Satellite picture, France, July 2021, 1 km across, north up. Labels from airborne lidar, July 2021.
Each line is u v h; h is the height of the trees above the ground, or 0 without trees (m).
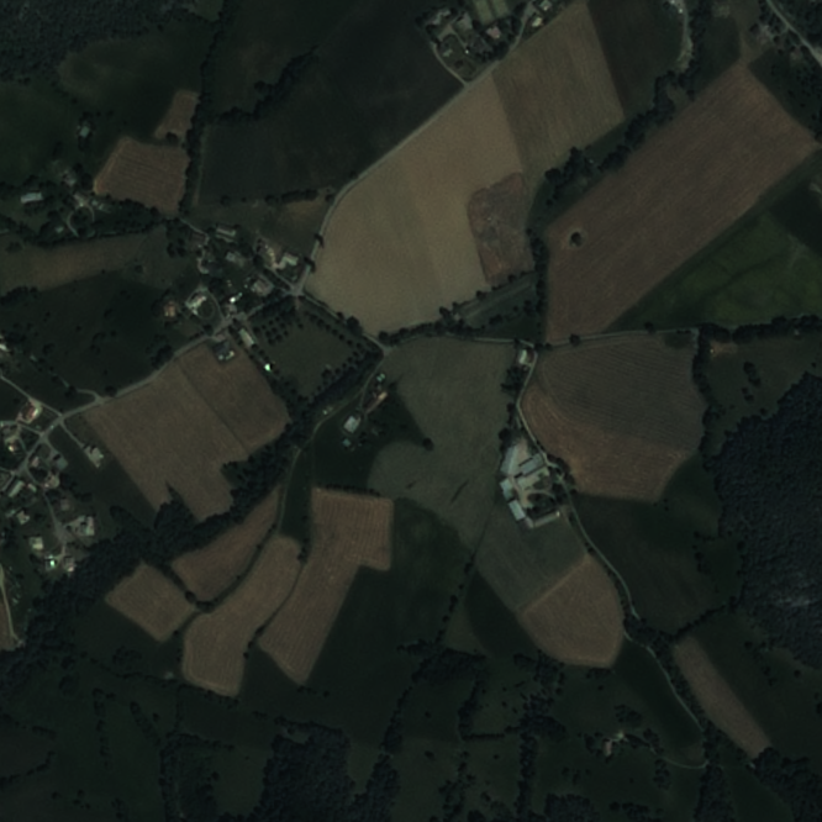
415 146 0
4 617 0
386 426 7
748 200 0
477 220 0
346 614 0
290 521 0
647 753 0
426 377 0
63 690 9
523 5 10
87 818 0
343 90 0
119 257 0
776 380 0
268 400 0
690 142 0
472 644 0
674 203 0
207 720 0
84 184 11
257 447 0
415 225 0
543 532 0
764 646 9
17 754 0
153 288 0
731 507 12
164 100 0
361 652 0
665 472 0
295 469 0
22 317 0
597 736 8
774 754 16
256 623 0
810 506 8
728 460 11
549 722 24
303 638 0
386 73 0
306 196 9
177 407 0
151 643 0
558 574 0
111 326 0
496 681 0
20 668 19
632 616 9
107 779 0
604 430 0
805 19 6
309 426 16
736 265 0
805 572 7
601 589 0
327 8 0
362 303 0
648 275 0
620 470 0
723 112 0
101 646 0
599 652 0
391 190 0
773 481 10
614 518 0
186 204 8
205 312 0
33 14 8
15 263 0
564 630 0
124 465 0
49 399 0
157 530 10
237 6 17
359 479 0
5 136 0
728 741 10
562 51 0
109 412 0
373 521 0
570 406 0
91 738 0
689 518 0
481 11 0
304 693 8
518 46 0
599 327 0
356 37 0
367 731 0
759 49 0
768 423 18
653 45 0
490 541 0
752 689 0
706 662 0
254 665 0
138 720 14
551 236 0
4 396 0
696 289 0
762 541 12
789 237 0
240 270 0
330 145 0
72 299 0
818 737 0
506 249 0
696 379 7
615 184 0
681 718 0
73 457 0
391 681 0
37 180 12
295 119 0
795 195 0
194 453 0
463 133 0
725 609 6
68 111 0
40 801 0
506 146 0
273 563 0
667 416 0
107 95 0
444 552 0
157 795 0
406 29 0
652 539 0
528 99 0
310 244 0
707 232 0
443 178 0
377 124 0
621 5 0
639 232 0
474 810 0
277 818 17
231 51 0
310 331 0
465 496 0
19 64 15
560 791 0
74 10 11
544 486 0
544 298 16
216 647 0
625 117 0
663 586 0
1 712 15
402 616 0
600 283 0
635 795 0
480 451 0
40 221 0
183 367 0
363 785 0
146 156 0
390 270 0
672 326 0
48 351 14
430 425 0
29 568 0
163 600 0
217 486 0
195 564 0
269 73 0
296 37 0
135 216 7
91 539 0
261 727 0
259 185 0
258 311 6
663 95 15
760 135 0
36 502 0
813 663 13
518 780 0
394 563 0
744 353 0
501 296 0
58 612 16
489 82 0
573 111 0
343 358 0
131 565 14
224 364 0
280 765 16
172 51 0
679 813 0
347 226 0
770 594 8
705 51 12
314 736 12
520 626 0
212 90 9
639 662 0
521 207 0
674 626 0
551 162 0
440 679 20
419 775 0
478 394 0
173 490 7
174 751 17
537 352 9
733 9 0
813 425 30
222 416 0
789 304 0
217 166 0
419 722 0
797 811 16
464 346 0
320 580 0
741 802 0
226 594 0
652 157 0
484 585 0
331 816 23
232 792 0
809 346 0
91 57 0
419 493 0
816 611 6
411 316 0
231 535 0
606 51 0
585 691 0
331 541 0
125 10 11
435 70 0
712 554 0
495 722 0
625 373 0
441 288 0
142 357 0
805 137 0
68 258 0
